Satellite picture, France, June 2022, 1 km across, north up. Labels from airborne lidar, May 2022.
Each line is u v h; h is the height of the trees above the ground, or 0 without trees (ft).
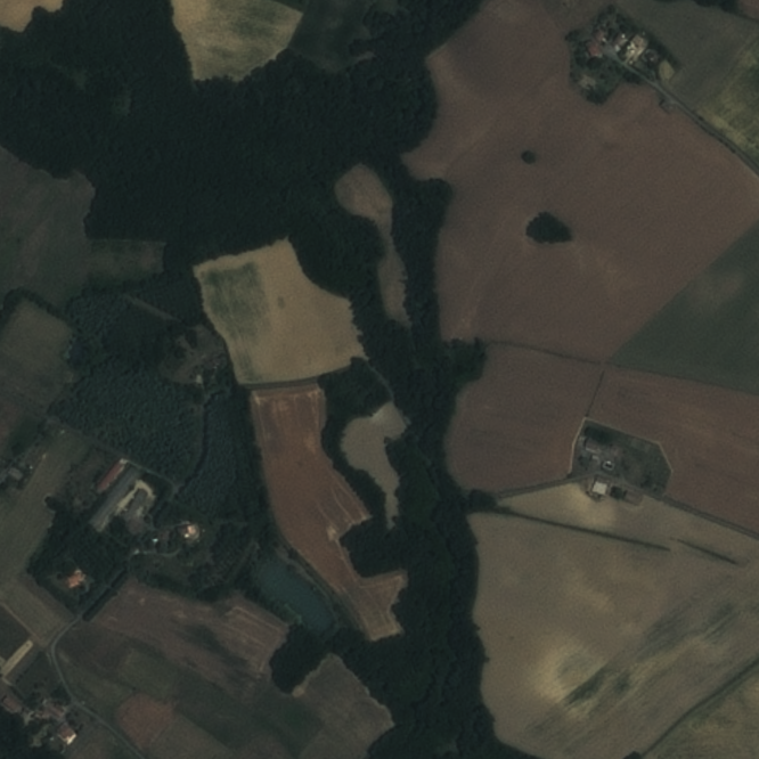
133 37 44
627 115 0
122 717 0
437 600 80
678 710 0
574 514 0
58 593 51
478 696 49
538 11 0
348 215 21
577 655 0
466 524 40
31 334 0
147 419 36
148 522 36
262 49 0
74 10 54
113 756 0
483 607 0
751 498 0
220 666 0
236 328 0
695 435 0
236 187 90
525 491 0
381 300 48
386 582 0
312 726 0
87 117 78
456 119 0
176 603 0
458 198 0
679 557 0
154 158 105
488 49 0
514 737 0
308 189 64
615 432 0
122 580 51
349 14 0
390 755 60
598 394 0
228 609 0
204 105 63
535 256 0
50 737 22
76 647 0
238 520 82
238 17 0
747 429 0
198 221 52
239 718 0
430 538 52
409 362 64
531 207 0
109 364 47
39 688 27
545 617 0
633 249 0
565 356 0
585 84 0
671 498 0
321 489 0
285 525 0
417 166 0
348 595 0
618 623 0
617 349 0
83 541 61
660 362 0
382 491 43
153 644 0
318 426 0
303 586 0
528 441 0
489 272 0
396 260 0
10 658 0
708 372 0
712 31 0
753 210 0
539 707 0
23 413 0
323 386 51
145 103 57
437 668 39
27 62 24
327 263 28
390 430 0
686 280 0
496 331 0
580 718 0
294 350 0
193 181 47
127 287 39
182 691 0
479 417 0
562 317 0
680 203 0
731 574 0
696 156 0
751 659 0
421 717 103
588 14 0
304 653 56
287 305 0
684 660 0
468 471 0
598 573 0
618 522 0
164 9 39
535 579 0
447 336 0
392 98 22
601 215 0
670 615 0
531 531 0
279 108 67
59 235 0
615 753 0
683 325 0
